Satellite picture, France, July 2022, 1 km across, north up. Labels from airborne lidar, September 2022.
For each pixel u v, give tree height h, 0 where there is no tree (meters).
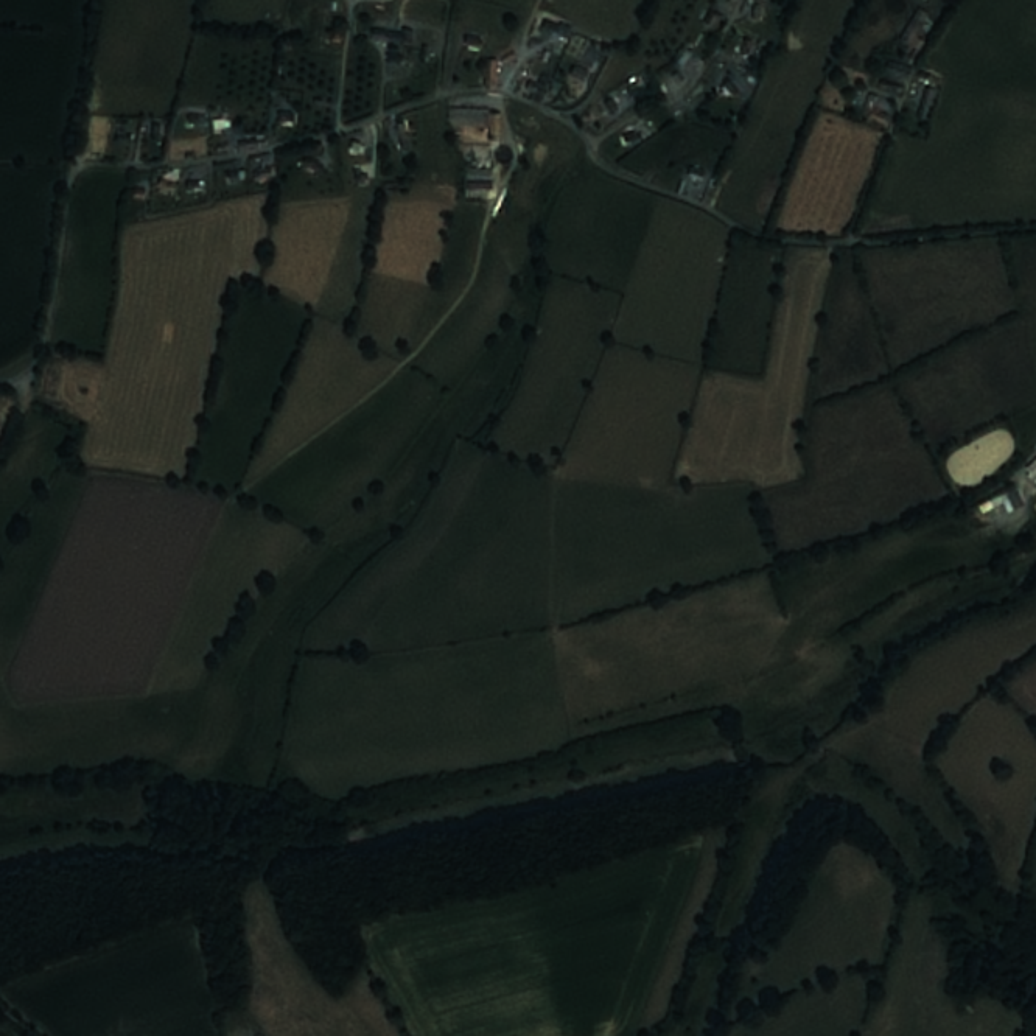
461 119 0
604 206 0
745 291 0
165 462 0
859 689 0
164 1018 0
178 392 0
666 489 0
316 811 12
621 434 0
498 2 0
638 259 0
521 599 0
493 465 0
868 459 0
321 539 14
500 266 0
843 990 0
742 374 0
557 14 0
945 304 0
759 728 0
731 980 15
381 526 0
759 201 0
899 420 0
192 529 0
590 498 0
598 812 11
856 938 0
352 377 0
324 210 0
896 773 0
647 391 0
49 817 0
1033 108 0
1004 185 0
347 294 0
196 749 0
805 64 0
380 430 0
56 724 0
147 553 0
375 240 15
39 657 0
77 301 0
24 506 0
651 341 0
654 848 12
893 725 0
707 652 0
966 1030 0
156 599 0
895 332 0
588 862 17
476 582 0
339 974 18
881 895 0
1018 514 0
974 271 0
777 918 27
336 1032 0
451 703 0
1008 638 0
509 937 0
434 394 0
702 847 0
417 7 0
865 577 0
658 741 0
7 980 16
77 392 0
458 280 0
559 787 0
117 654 0
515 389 0
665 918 0
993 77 0
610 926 0
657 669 0
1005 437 0
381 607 0
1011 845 0
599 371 0
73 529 0
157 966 0
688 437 0
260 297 14
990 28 0
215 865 24
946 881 10
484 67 7
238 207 0
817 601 0
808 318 0
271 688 0
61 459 13
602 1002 0
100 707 0
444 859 11
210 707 0
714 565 0
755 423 0
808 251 0
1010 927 12
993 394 0
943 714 0
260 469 0
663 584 0
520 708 0
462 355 0
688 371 0
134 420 0
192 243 0
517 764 8
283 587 0
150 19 0
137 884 17
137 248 0
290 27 0
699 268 0
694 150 0
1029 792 0
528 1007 0
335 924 22
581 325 0
